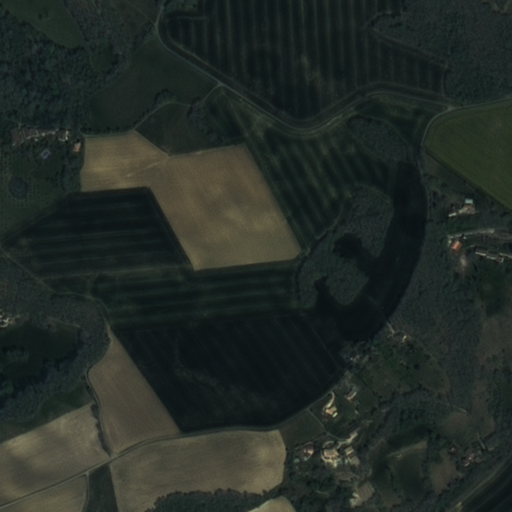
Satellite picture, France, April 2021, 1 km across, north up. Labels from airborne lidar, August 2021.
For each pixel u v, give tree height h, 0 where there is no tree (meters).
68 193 11
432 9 12
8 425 0
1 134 6
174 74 0
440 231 20
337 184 0
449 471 0
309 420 0
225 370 0
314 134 0
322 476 20
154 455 0
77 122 10
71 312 19
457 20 14
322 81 0
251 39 0
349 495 24
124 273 0
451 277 27
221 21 0
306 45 0
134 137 0
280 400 0
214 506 17
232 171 0
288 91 0
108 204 0
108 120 0
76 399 0
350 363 7
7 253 0
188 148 0
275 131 0
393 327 12
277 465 0
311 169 0
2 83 24
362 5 0
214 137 14
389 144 14
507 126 0
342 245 0
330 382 0
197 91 0
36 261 0
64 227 0
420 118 0
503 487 0
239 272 0
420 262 14
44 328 19
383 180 0
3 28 22
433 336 8
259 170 0
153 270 0
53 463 0
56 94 13
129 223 0
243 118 0
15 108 16
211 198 0
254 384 0
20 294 14
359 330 0
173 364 0
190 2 19
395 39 11
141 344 0
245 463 0
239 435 0
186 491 0
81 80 8
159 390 0
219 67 0
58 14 0
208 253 0
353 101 0
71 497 0
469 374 25
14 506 0
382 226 14
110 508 0
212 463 0
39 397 24
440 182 17
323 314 0
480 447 8
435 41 18
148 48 0
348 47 0
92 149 0
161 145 0
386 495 0
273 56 0
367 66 0
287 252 0
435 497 20
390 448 0
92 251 0
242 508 11
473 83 24
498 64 22
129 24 0
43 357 0
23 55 15
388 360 12
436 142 0
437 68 0
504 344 0
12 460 0
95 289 0
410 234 0
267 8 0
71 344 0
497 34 17
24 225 0
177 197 0
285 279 0
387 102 0
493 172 0
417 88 0
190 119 12
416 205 0
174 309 0
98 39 18
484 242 12
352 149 0
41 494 0
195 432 0
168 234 0
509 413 11
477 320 21
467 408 9
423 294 14
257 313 0
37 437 0
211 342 0
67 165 10
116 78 6
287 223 0
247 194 0
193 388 0
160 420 0
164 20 0
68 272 0
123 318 0
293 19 0
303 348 0
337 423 0
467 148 0
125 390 0
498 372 13
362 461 17
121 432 0
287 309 0
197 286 0
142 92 0
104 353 15
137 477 0
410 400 24
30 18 0
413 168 0
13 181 0
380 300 0
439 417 24
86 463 0
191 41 0
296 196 0
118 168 0
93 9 11
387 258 0
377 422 0
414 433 0
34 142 7
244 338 0
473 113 0
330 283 19
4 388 16
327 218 0
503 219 14
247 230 0
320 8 0
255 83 0
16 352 21
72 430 0
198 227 0
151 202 0
